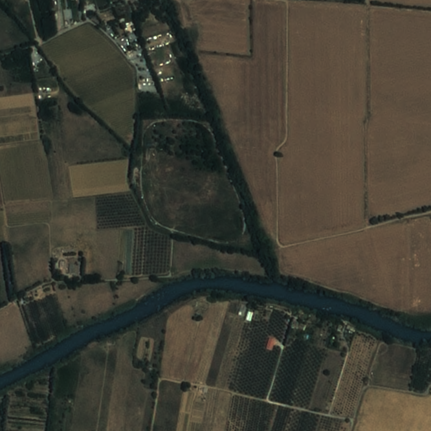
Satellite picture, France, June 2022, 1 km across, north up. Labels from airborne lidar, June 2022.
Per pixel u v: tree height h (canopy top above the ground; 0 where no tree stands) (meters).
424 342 14
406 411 0
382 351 0
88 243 0
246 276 18
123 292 0
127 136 0
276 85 0
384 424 0
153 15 8
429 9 8
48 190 0
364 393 0
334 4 0
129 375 0
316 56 0
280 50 0
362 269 0
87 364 0
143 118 13
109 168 0
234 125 0
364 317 0
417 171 0
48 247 0
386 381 0
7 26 0
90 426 0
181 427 0
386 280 0
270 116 0
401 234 0
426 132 0
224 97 0
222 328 0
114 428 0
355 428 0
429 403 0
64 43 0
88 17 10
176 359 0
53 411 7
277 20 0
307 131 0
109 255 0
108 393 0
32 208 0
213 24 0
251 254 17
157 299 0
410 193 0
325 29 0
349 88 0
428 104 0
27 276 0
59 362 7
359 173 0
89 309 0
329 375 9
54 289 6
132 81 0
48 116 9
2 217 0
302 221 0
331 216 0
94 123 0
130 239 0
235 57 0
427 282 0
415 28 0
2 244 18
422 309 0
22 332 0
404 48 0
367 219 0
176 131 11
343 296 8
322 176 0
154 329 0
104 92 0
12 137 0
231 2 0
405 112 0
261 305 8
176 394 0
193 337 0
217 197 0
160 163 0
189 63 14
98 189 0
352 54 0
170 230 0
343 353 9
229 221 0
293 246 0
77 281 12
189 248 0
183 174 0
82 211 0
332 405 0
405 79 0
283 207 0
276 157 13
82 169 0
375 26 0
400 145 0
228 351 0
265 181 0
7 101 0
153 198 0
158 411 0
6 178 0
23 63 8
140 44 12
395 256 0
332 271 0
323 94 0
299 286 21
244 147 0
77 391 0
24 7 0
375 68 0
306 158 0
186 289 0
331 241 0
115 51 0
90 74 0
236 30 0
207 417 0
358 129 0
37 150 0
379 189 0
